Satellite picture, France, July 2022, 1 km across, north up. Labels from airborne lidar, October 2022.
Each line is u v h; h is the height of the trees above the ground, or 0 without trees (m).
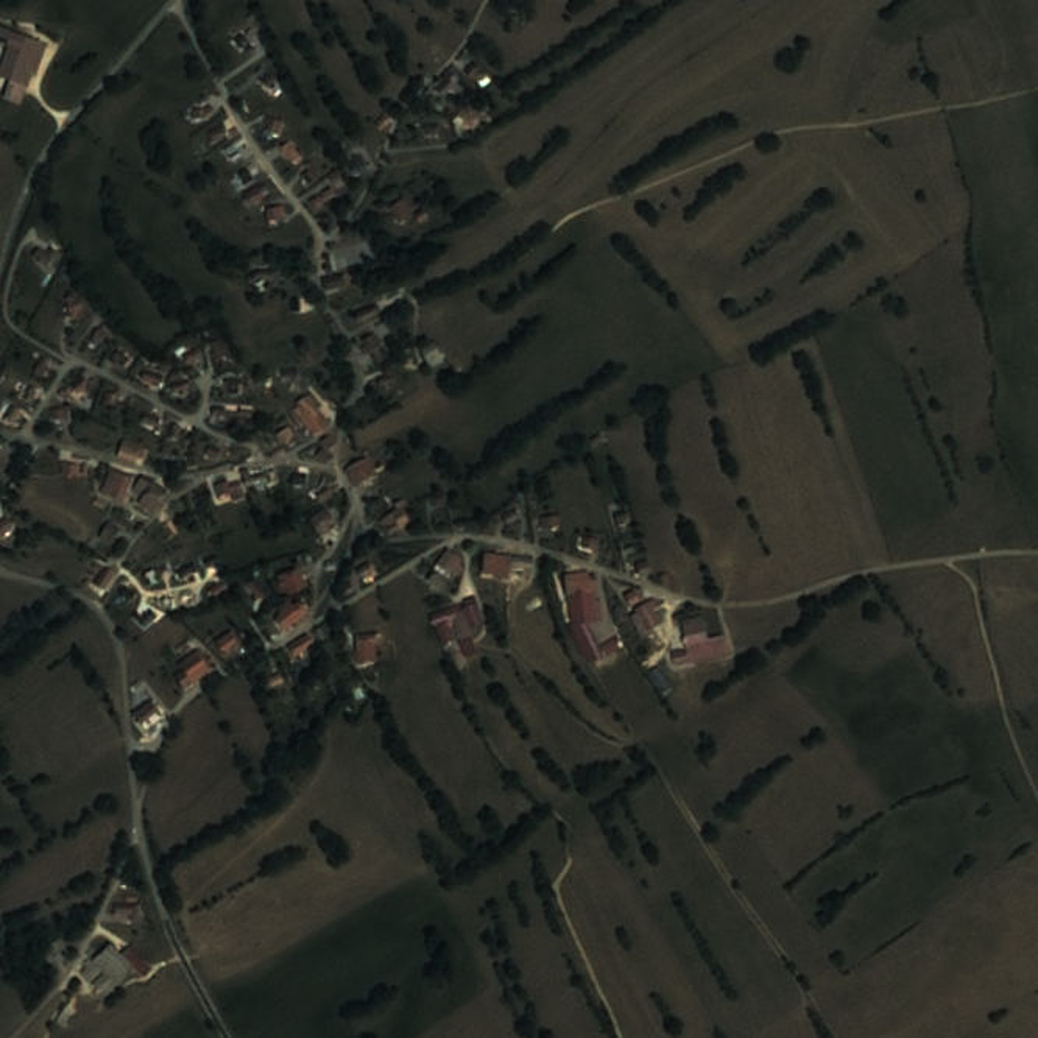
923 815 0
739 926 0
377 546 20
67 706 0
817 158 0
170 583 0
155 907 0
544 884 6
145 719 0
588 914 0
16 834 15
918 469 0
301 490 0
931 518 0
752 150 0
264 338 0
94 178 0
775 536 0
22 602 0
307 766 6
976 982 0
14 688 0
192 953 0
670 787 0
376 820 0
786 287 0
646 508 0
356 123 21
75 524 0
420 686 0
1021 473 0
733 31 0
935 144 0
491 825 22
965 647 0
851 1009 0
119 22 0
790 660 0
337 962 0
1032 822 0
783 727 0
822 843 0
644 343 0
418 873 0
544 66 13
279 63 10
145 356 9
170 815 0
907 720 0
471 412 0
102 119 0
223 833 15
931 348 0
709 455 0
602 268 0
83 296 14
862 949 0
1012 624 0
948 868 0
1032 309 0
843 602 18
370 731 0
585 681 9
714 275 0
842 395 0
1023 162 0
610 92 0
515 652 0
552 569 14
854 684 0
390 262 19
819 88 0
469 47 8
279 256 15
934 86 12
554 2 0
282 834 0
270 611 8
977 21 0
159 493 0
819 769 0
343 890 0
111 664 0
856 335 0
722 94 0
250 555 0
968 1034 0
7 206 0
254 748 0
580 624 0
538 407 0
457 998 0
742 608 0
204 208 0
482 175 0
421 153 0
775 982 0
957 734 0
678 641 0
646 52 0
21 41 0
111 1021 0
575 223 0
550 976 0
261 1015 0
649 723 0
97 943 0
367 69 19
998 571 0
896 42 0
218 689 17
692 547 17
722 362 0
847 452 0
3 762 16
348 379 9
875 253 0
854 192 0
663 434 13
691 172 0
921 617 0
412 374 0
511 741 0
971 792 0
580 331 0
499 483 0
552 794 0
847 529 0
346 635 8
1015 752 0
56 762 0
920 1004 0
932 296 0
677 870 0
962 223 0
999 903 0
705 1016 0
